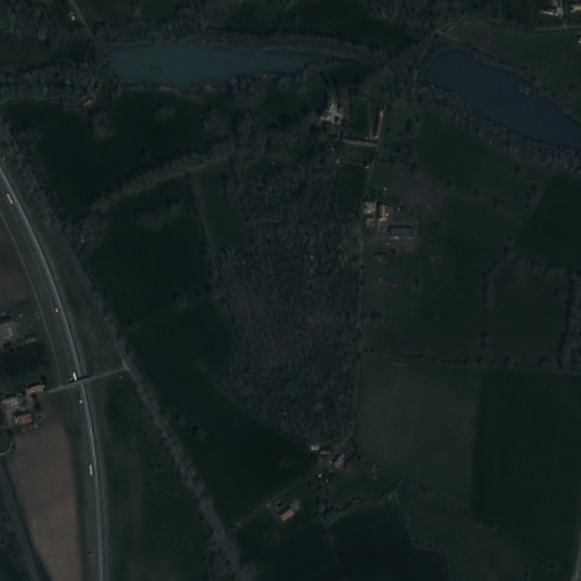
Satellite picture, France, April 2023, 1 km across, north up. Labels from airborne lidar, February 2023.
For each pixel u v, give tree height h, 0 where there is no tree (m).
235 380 14
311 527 0
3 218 0
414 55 22
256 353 15
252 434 0
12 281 0
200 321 0
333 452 17
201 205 18
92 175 0
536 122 0
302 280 16
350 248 21
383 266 0
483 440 0
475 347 0
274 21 0
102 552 0
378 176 0
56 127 0
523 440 0
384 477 0
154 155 0
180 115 0
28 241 0
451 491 0
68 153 0
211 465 0
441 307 0
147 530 0
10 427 0
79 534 0
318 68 10
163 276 0
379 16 16
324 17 0
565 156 17
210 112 15
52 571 0
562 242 0
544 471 0
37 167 17
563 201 0
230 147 24
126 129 0
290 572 0
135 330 12
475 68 0
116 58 0
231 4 20
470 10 0
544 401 0
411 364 0
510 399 0
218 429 0
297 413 16
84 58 9
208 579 13
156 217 19
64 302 0
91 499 0
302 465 0
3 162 0
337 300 17
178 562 0
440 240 0
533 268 13
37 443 0
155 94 0
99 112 14
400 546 0
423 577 0
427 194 0
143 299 0
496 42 0
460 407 0
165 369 0
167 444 15
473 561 0
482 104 0
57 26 20
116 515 0
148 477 0
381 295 0
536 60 0
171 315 0
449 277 0
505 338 0
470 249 0
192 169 25
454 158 0
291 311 23
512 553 0
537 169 0
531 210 9
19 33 18
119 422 0
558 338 0
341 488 0
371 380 0
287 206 21
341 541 0
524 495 0
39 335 0
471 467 0
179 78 0
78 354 0
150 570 0
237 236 0
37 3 0
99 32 22
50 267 0
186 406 0
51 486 0
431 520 0
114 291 0
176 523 0
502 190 0
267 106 0
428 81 0
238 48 19
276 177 22
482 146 0
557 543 0
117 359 0
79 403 0
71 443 0
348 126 7
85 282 0
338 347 15
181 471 15
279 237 19
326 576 0
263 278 21
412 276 0
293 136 30
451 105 17
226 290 21
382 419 0
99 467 0
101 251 0
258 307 23
